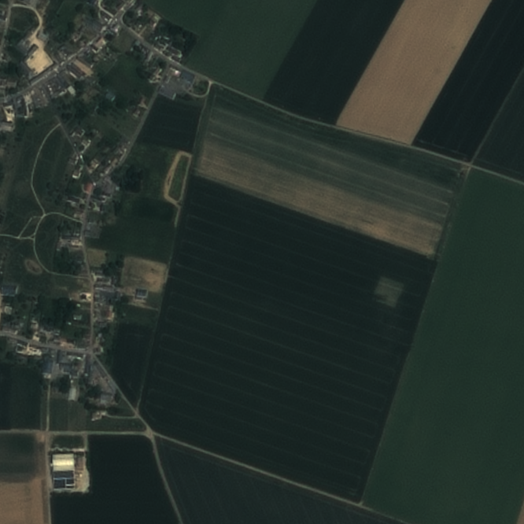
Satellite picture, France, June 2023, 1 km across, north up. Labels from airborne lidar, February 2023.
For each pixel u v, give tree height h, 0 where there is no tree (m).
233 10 0
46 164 0
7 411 0
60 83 0
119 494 0
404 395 0
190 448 0
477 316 0
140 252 0
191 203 0
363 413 0
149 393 0
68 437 0
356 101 0
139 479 0
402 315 0
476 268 0
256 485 0
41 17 0
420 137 0
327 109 0
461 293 0
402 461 0
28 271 0
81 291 0
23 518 0
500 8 0
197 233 0
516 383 0
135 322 0
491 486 0
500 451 0
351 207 0
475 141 0
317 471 0
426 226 0
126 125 0
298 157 0
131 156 0
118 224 0
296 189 0
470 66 0
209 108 0
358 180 0
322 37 0
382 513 0
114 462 0
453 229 0
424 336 0
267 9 0
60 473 0
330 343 0
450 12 0
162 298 0
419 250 0
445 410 0
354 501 0
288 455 0
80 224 6
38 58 0
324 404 0
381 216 0
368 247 0
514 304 0
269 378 0
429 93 0
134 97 0
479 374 0
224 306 0
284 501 0
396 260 0
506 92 0
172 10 0
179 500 0
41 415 0
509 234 0
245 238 0
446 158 0
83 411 0
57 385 12
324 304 0
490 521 0
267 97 0
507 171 0
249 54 0
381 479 0
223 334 0
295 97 0
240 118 0
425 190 0
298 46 0
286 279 0
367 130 0
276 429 0
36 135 0
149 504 0
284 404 0
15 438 0
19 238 0
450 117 0
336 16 0
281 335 0
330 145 0
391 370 0
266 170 0
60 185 0
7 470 0
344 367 0
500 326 0
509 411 0
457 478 0
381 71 0
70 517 0
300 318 0
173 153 0
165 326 0
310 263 0
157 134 0
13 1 0
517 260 0
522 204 0
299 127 0
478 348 0
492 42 0
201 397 0
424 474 0
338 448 0
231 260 0
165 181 0
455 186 0
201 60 0
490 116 0
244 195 0
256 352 0
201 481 0
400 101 0
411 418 0
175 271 0
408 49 0
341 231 0
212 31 0
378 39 0
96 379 0
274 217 0
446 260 0
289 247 0
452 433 0
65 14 0
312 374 0
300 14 0
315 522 0
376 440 0
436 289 0
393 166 0
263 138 0
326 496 0
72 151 0
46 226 0
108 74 0
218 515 0
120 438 0
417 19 0
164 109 0
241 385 0
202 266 0
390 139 0
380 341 0
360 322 0
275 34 0
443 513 0
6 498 0
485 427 0
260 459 0
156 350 0
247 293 0
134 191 12
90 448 0
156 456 0
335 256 0
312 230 0
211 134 0
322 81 0
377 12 0
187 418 0
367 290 0
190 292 0
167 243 0
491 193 0
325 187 0
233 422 0
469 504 0
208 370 0
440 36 0
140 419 0
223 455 0
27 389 0
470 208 0
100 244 0
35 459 0
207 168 0
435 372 0
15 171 0
